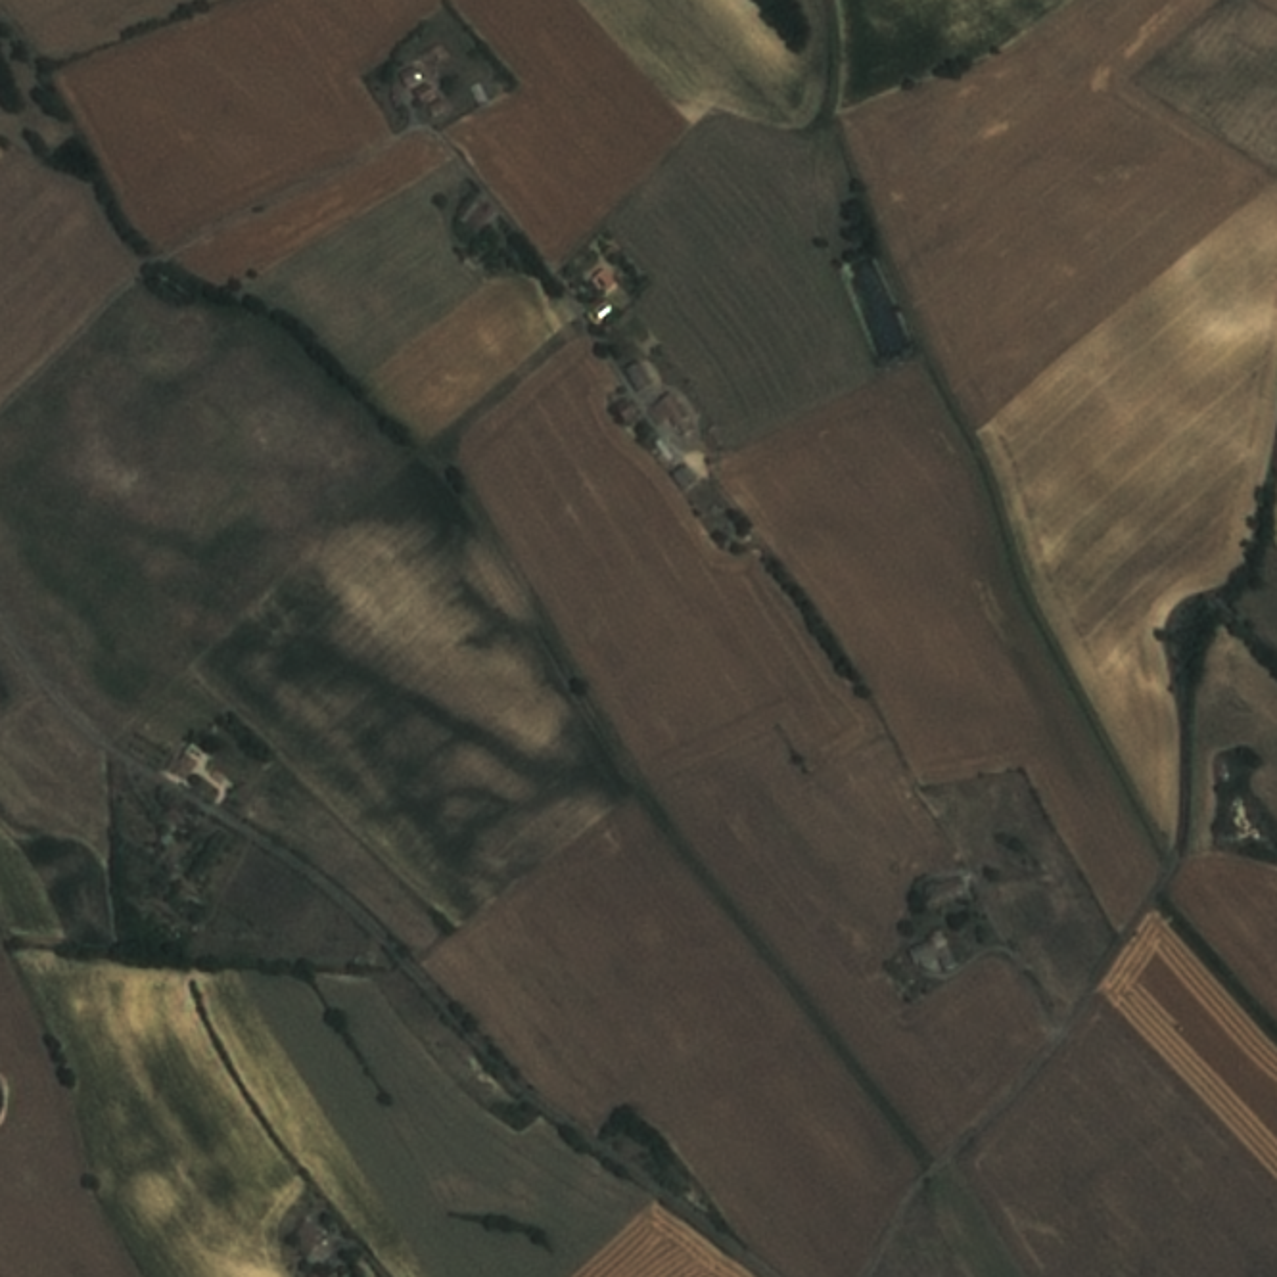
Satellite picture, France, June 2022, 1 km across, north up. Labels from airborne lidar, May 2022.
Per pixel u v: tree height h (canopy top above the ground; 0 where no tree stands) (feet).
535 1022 0
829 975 0
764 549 0
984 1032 0
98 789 0
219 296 45
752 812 0
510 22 0
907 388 0
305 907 0
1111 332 0
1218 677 0
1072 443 0
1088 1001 0
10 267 0
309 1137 0
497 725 0
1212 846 0
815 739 0
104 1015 0
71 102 0
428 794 0
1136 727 0
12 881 0
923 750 0
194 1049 0
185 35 0
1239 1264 0
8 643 0
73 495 0
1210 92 0
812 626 38
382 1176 0
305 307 0
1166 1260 0
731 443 0
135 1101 0
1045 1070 0
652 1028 0
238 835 18
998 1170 0
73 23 0
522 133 0
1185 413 0
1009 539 0
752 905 0
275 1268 0
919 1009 0
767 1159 0
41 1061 0
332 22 0
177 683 0
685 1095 0
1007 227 0
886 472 0
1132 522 0
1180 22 0
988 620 0
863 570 0
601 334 48
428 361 0
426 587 0
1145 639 0
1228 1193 0
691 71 0
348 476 0
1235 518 0
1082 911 0
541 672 0
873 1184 0
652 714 0
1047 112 0
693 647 0
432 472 0
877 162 0
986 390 0
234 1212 0
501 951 0
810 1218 0
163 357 0
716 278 0
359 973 28
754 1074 0
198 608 0
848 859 0
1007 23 0
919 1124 0
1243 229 0
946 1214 0
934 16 0
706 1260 0
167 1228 0
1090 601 0
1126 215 0
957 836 0
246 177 0
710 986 0
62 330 0
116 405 0
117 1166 0
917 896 37
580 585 0
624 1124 37
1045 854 0
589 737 0
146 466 0
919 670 0
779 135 0
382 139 0
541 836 0
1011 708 0
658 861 0
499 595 0
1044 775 0
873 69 0
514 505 0
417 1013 0
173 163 0
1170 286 0
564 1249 0
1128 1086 0
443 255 0
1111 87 0
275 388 0
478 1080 0
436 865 0
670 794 0
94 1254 0
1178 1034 0
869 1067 0
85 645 0
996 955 0
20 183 0
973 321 0
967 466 0
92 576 0
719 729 0
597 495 0
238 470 0
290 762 0
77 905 0
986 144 0
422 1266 0
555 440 0
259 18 0
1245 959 0
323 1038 0
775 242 0
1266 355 0
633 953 0
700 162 0
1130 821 0
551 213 0
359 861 0
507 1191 0
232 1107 0
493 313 0
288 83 0
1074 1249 0
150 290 24
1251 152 0
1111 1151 0
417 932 0
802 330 0
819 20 0
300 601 0
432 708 0
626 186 0
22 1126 0
